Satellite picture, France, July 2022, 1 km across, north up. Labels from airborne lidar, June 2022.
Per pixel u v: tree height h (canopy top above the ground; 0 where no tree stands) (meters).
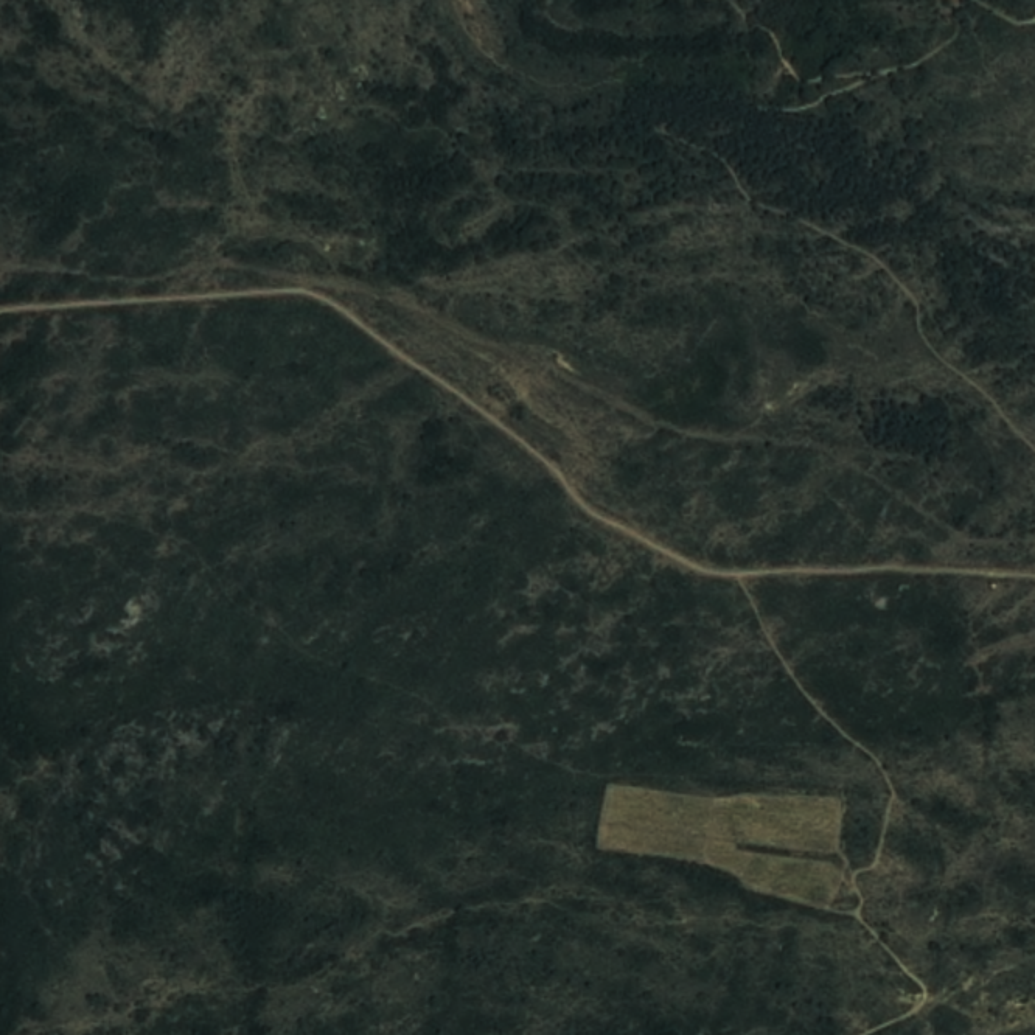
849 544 0
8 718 6
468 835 6
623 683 0
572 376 0
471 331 0
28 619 0
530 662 0
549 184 6
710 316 0
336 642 0
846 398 7
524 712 0
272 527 0
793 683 0
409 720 0
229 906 8
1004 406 0
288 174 0
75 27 0
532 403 0
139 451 0
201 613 0
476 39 0
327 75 0
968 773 0
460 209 7
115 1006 8
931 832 0
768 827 0
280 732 0
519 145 13
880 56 0
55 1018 0
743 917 0
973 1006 0
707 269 0
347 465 0
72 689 0
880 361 0
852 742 0
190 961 0
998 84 0
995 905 0
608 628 0
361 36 0
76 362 0
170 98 0
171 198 0
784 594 0
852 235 6
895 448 7
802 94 11
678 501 0
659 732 0
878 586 0
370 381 0
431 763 0
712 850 0
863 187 10
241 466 0
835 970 0
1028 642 0
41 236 7
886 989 0
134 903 7
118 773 7
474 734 0
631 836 0
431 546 0
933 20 7
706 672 0
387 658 0
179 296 0
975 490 0
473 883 0
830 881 0
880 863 0
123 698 0
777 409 0
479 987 0
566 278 0
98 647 0
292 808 0
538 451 0
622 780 0
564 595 0
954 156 0
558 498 0
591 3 5
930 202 8
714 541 0
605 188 7
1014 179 0
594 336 0
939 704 0
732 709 0
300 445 0
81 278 0
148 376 0
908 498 0
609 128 7
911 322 0
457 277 0
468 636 0
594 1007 0
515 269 0
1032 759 0
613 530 0
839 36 6
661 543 0
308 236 0
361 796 0
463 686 0
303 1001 0
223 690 0
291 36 0
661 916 0
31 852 0
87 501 0
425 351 0
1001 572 0
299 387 0
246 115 0
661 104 10
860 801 0
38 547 8
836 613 0
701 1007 0
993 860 0
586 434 0
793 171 11
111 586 0
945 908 0
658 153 10
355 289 0
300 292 0
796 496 0
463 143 10
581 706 0
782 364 0
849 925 0
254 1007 5
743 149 10
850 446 0
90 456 0
